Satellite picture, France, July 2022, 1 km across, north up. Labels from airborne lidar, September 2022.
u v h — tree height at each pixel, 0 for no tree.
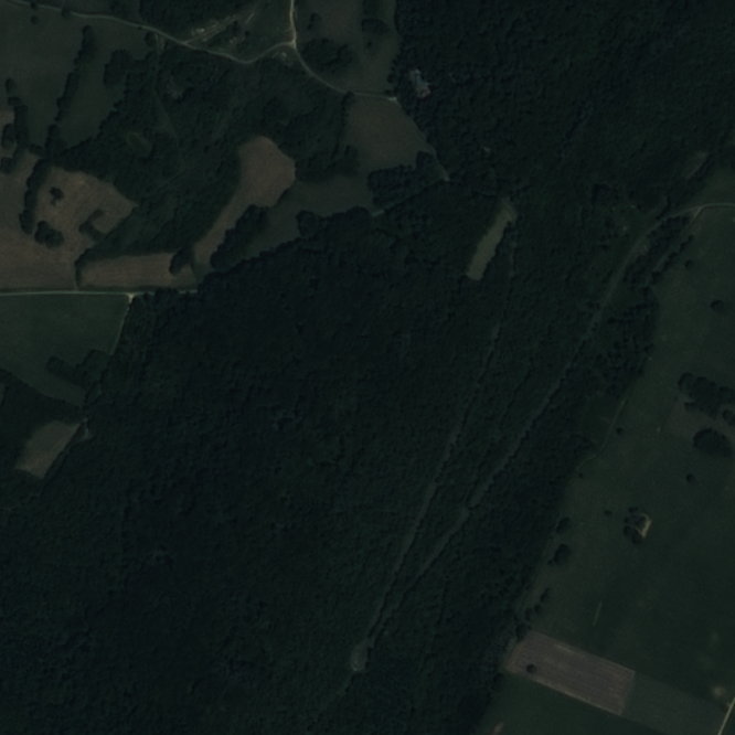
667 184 29
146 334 12
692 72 15
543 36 16
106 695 18
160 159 11
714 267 0
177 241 12
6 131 10
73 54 0
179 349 21
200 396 24
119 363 8
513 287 15
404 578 11
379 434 20
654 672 0
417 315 19
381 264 29
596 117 25
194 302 31
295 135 12
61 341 0
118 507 20
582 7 25
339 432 17
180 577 25
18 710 16
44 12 0
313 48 14
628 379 20
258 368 26
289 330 31
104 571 19
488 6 24
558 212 21
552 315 18
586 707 0
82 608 20
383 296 33
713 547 0
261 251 0
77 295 0
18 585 18
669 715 0
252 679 28
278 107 11
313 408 27
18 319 0
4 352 0
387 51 0
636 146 13
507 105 23
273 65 8
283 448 30
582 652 0
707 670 0
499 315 18
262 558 22
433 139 17
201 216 12
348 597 9
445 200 29
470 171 19
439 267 18
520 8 26
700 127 18
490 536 21
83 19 0
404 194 15
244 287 34
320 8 0
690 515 0
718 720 0
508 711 0
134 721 18
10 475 13
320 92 10
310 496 14
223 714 22
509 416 17
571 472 22
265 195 0
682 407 0
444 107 22
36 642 21
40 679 14
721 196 0
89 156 13
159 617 26
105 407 19
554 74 23
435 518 15
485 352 14
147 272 0
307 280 29
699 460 0
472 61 25
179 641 26
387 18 0
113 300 0
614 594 0
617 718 0
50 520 8
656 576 0
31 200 14
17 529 12
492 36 25
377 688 13
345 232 35
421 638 16
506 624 17
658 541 0
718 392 17
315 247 16
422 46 25
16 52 0
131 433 19
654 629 0
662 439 0
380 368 23
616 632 0
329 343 30
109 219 0
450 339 20
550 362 16
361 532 13
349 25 0
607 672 0
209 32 0
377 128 0
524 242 18
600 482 0
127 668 22
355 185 0
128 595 30
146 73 9
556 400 19
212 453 14
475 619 29
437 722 17
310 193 0
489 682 18
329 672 16
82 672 20
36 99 0
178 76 18
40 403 9
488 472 17
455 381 19
